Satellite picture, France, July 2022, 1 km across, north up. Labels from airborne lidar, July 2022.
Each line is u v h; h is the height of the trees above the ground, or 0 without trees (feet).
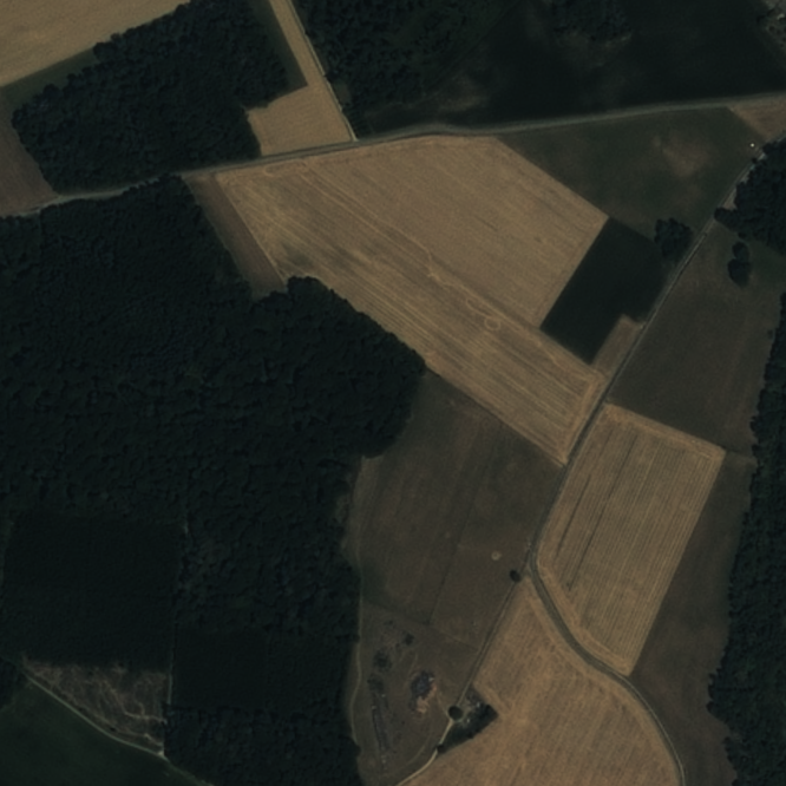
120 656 57
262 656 22
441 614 0
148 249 56
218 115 78
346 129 0
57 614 43
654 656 0
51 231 57
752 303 0
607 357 0
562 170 0
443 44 47
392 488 0
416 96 81
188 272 67
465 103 0
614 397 0
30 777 0
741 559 53
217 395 77
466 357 0
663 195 0
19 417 98
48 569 29
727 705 59
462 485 0
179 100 84
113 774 0
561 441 0
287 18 0
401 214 0
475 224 0
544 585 0
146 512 82
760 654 76
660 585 0
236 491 91
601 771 0
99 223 56
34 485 79
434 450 0
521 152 0
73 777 0
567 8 68
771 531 41
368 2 42
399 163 0
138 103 58
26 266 78
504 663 0
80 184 52
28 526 32
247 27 84
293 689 26
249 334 87
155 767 0
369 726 0
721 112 0
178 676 22
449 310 0
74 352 78
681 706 0
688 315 0
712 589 0
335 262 0
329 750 74
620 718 0
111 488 81
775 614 40
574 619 0
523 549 0
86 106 106
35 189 0
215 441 82
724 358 0
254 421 94
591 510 0
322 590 88
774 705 83
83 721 0
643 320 0
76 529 27
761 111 0
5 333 93
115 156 88
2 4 0
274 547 93
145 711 0
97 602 57
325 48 84
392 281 0
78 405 89
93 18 0
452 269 0
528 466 0
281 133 0
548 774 0
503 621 0
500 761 0
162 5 0
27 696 0
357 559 0
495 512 0
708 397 0
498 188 0
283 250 0
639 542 0
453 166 0
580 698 0
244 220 0
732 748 55
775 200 72
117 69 67
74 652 44
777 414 104
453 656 0
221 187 0
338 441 68
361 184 0
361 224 0
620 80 0
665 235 60
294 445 89
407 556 0
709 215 0
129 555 34
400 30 91
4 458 88
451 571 0
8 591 43
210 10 91
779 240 60
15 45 0
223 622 79
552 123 0
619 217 0
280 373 94
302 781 70
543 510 0
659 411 0
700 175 0
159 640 57
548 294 0
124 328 62
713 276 0
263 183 0
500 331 0
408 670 0
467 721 0
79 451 91
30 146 62
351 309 59
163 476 62
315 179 0
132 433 90
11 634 43
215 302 45
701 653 0
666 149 0
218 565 72
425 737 0
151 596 44
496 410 0
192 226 83
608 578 0
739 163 0
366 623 0
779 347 54
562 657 0
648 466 0
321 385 99
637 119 0
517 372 0
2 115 0
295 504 100
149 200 57
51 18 0
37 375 109
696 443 0
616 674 0
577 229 0
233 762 56
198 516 82
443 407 0
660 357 0
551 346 0
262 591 88
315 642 19
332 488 90
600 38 58
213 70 90
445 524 0
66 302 64
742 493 0
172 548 33
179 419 70
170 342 82
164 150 41
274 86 84
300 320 83
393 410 78
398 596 0
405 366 78
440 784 0
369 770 0
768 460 87
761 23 42
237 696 26
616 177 0
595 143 0
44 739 0
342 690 29
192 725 90
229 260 54
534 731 0
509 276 0
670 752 0
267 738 84
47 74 0
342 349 83
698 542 0
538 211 0
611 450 0
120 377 88
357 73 80
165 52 106
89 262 63
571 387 0
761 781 59
